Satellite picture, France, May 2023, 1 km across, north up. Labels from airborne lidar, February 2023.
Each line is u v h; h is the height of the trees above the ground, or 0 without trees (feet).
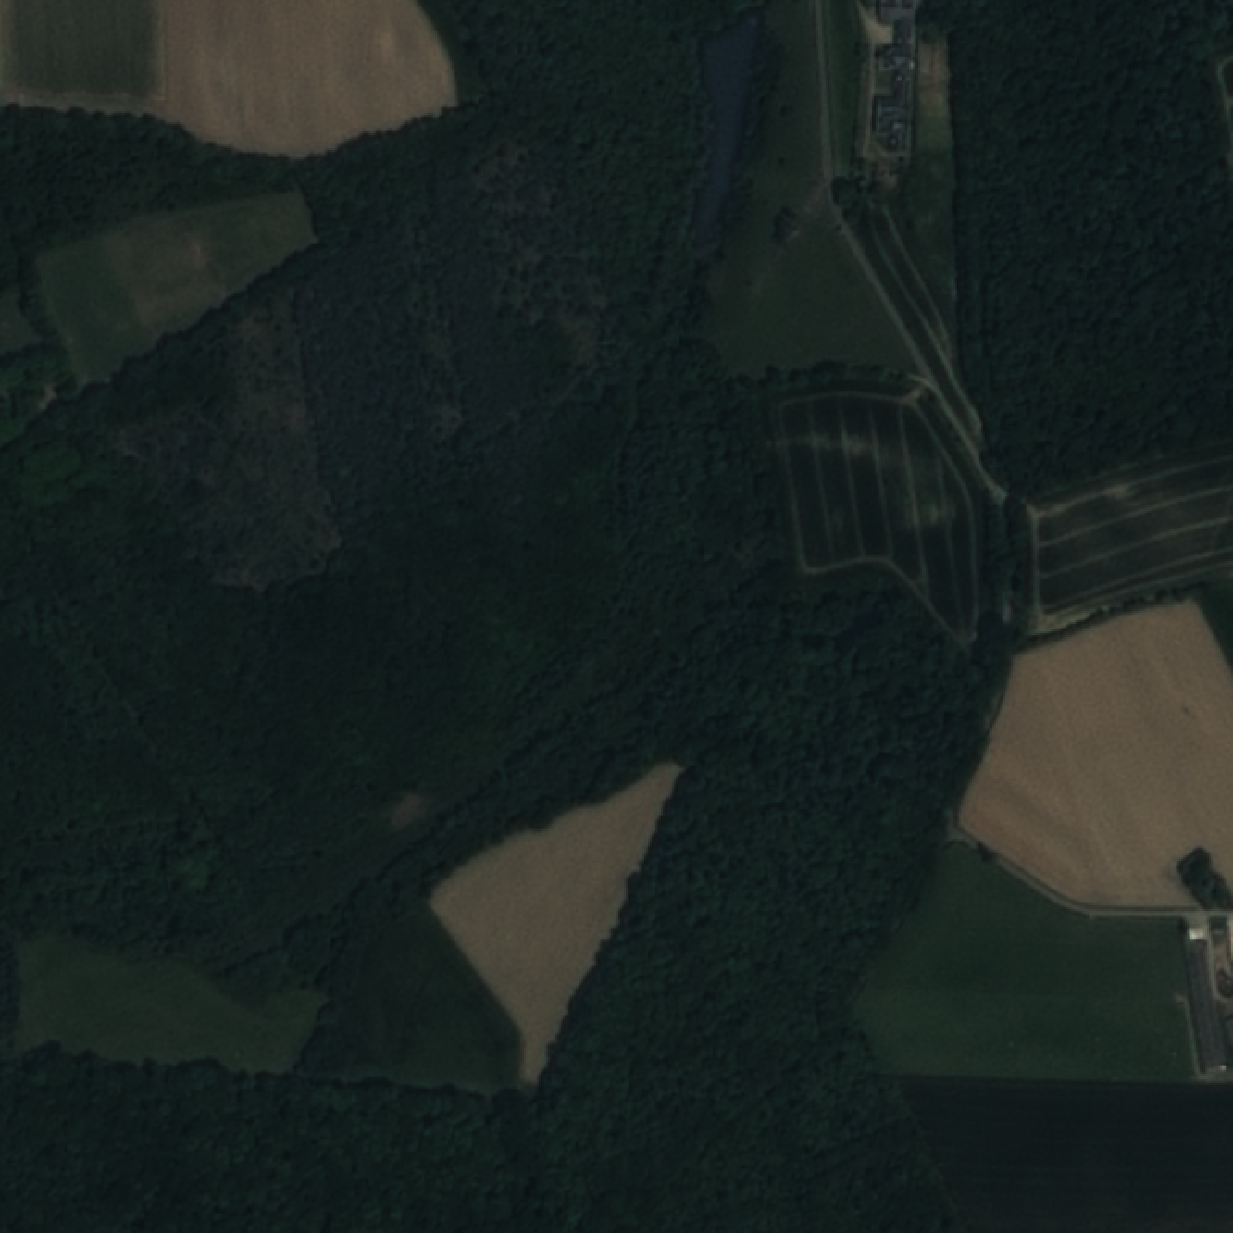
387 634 44
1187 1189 0
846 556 0
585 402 19
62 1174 55
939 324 0
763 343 0
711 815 80
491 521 56
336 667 57
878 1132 72
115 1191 68
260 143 0
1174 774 0
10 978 79
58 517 67
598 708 34
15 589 34
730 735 76
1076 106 97
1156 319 86
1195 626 0
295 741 66
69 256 0
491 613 63
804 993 52
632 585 40
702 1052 41
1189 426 80
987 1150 0
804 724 65
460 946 0
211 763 43
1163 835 0
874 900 69
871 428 0
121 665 38
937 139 0
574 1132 66
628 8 67
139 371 51
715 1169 46
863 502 0
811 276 0
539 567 74
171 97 0
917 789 67
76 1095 56
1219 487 0
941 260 0
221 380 49
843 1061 67
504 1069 0
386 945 0
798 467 0
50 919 51
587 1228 64
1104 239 77
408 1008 0
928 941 0
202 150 51
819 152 0
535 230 48
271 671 47
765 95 41
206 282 0
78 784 65
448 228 54
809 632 20
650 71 66
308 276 44
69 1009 0
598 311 28
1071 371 65
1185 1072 0
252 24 0
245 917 26
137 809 63
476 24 53
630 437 81
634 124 56
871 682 99
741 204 40
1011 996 0
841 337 0
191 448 19
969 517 0
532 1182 82
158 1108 69
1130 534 0
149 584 37
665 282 68
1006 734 0
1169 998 0
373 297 71
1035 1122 0
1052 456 69
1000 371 52
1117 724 0
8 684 62
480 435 47
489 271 24
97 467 61
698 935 65
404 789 61
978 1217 0
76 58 0
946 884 0
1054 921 0
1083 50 67
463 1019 0
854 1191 60
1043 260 74
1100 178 83
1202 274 71
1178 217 80
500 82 61
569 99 61
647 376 56
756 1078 76
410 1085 0
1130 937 0
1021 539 43
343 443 43
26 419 40
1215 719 0
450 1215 67
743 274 0
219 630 58
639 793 0
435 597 56
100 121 41
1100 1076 0
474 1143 70
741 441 64
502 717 65
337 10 0
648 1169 55
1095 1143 0
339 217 41
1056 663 0
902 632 87
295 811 46
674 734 45
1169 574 0
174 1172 60
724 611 55
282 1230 48
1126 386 63
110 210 0
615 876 0
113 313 0
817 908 83
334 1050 49
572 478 82
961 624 0
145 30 0
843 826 92
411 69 0
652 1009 64
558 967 0
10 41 0
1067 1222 0
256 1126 63
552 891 0
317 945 47
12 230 52
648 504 57
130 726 53
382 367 53
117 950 35
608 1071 68
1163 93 73
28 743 70
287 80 0
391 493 51
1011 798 0
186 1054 0
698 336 59
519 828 22
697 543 47
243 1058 0
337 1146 62
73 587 29
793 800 61
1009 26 76
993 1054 0
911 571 0
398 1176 59
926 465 0
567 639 73
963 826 0
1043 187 65
